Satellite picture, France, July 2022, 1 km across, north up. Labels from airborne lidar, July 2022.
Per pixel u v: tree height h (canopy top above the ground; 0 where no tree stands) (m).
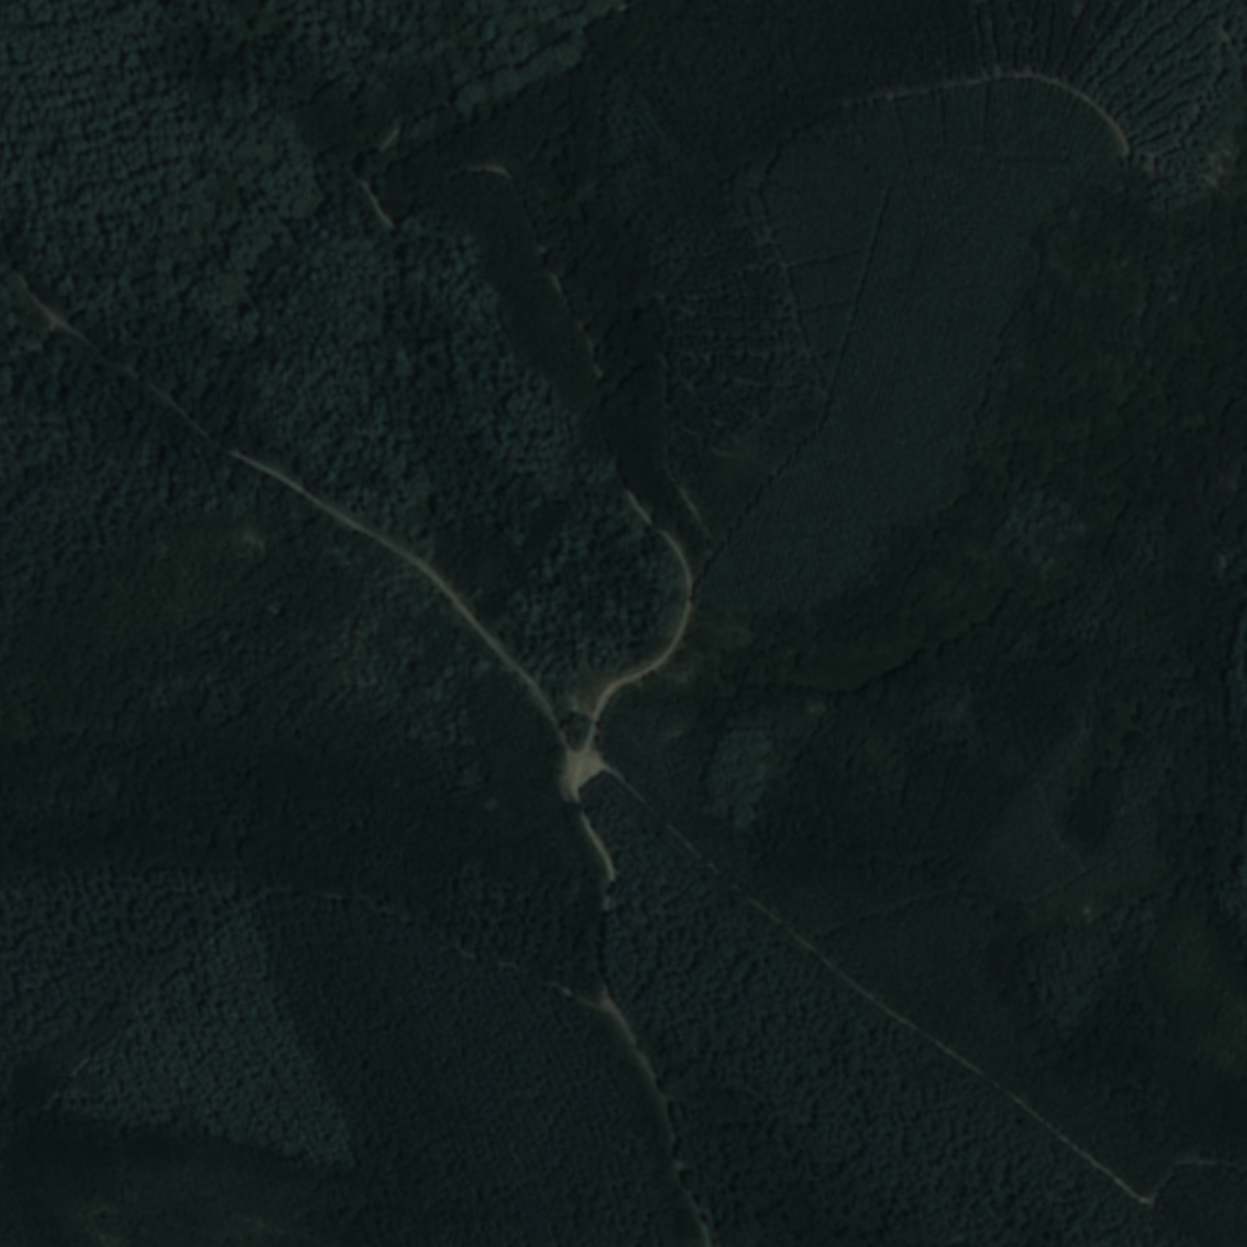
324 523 21
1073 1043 16
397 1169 14
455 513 25
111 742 12
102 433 27
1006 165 7
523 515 27
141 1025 13
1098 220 11
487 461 24
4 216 8
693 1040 18
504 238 14
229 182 21
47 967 19
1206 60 19
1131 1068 19
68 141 23
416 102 17
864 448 12
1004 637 15
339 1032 22
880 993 9
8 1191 10
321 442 27
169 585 7
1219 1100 8
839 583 11
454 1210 10
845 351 12
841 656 0
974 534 9
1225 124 21
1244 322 11
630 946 20
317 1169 14
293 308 22
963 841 12
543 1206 12
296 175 31
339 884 18
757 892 12
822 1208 8
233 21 24
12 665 16
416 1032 21
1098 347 7
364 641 9
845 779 14
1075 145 8
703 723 10
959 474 13
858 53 12
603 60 18
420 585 12
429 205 12
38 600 12
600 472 23
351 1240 9
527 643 15
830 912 11
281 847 19
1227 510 7
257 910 13
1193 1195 12
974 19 16
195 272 14
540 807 10
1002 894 11
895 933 11
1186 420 21
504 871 16
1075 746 9
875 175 9
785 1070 20
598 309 18
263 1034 17
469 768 18
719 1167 24
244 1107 18
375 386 23
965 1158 18
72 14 23
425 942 14
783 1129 22
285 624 18
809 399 12
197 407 25
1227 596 13
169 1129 21
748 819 17
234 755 18
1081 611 21
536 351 15
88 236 25
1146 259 12
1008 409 10
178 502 22
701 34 10
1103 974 22
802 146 11
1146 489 23
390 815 21
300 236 24
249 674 21
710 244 12
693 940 16
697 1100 7
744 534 11
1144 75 19
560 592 24
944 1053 10
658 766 8
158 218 24
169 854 19
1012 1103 8
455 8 18
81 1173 11
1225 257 19
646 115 17
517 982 15
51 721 18
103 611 18
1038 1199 22
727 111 14
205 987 11
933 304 11
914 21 13
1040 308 17
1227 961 10
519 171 14
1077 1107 12
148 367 29
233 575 14
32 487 16
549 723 12
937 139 10
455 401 27
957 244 10
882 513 12
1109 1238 20
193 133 24
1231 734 15
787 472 10
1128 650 14
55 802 12
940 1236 20
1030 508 17
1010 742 9
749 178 15
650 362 18
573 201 19
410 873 19
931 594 12
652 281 15
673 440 9
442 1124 18
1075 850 11
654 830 7
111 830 17
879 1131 22
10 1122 17
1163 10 18
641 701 7
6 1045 18
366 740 18
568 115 19
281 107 30
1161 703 17
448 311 18
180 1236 6
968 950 9
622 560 22
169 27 26
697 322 12
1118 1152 12
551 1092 14
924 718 13
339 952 22
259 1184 11
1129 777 8
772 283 14
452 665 8
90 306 26
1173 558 21
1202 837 10
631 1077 10
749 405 14
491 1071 11
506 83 32
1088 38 14
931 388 12
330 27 25
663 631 24
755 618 8
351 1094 17
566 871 11
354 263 24
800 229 10
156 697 15
